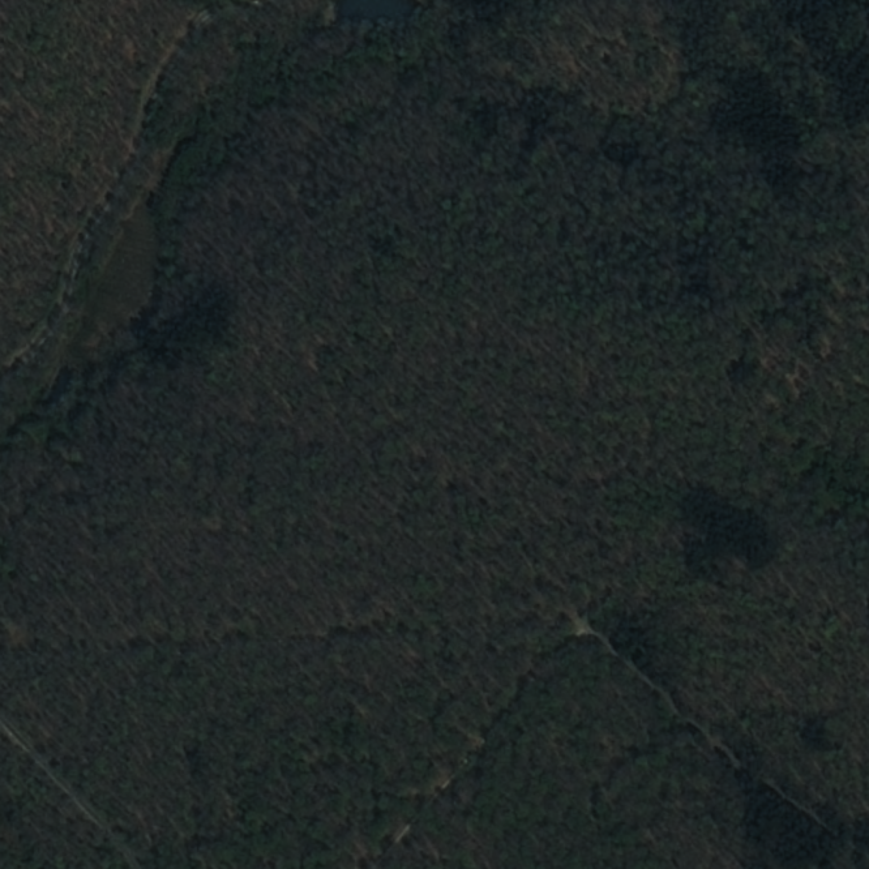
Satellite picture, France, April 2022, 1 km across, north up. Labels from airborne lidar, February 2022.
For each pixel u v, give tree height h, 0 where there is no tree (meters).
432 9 19
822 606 24
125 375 29
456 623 32
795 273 26
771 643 23
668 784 30
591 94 28
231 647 31
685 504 31
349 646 32
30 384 27
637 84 19
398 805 29
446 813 28
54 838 30
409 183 31
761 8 19
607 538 29
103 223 34
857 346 28
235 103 28
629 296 30
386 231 27
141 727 32
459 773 26
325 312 25
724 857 30
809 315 20
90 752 28
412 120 36
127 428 28
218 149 30
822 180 25
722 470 30
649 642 30
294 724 28
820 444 29
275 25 34
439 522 30
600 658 28
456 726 28
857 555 23
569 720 24
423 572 30
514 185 32
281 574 31
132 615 35
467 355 29
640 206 37
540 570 28
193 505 29
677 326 27
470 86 31
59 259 7
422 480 29
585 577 28
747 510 30
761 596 25
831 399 32
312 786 31
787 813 38
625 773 31
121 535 21
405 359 27
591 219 29
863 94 31
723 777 29
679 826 29
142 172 32
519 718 30
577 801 29
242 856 31
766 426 12
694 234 33
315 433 30
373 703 33
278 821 28
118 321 0
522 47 28
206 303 25
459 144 32
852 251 28
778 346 27
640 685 27
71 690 31
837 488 24
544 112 27
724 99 23
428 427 29
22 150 26
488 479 28
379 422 30
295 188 32
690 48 28
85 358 0
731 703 24
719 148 33
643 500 30
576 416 27
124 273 0
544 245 36
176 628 31
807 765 28
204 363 20
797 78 22
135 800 30
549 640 28
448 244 31
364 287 24
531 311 24
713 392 29
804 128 22
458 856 28
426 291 25
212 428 32
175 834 31
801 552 27
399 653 32
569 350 30
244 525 28
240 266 30
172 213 27
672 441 26
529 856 33
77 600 30
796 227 30
